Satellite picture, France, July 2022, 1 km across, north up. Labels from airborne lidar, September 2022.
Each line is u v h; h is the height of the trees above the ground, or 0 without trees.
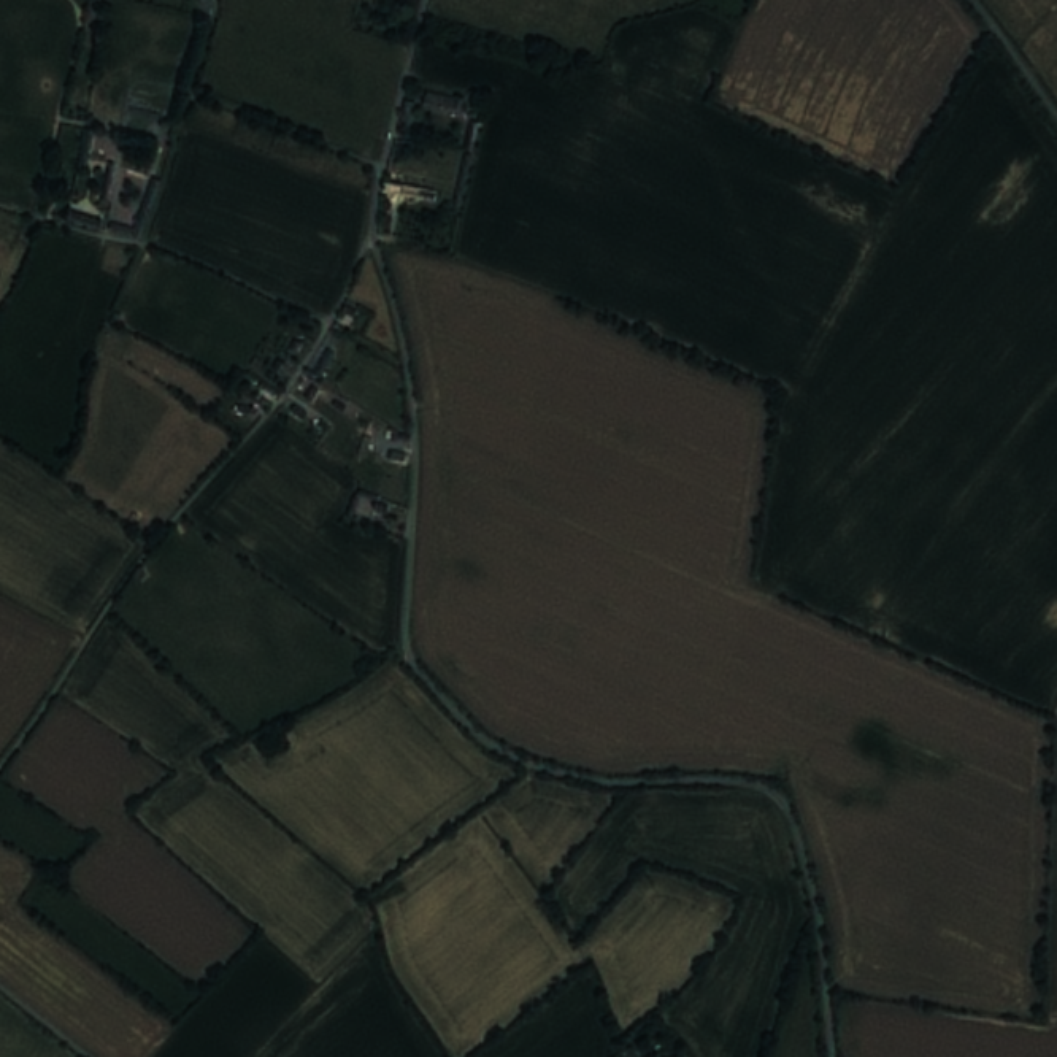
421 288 0
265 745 14
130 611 0
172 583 0
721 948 7
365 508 0
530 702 0
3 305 8
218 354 0
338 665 0
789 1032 0
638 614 0
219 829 0
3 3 0
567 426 0
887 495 0
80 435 8
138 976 0
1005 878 0
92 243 0
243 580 0
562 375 0
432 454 0
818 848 0
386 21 12
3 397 0
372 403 0
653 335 13
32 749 0
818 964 7
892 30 0
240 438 6
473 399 0
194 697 7
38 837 0
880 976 0
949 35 0
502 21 0
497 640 0
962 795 0
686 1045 16
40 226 12
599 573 0
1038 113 8
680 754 0
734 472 0
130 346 0
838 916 0
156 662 9
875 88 0
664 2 0
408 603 0
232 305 0
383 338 0
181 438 0
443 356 0
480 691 0
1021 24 0
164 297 0
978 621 0
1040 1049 0
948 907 0
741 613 0
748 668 0
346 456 0
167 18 0
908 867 0
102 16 9
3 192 0
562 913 15
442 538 0
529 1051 0
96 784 0
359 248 0
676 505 0
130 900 0
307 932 0
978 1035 0
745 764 0
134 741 9
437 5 0
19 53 0
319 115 0
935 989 0
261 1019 0
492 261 0
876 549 0
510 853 13
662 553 0
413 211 7
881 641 8
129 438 0
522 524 0
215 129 0
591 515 0
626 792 9
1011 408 0
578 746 0
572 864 12
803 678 0
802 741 0
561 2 0
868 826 0
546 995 7
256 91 0
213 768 8
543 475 0
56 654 0
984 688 6
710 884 7
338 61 0
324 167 0
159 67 0
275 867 0
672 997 11
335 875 6
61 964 0
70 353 0
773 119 0
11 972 0
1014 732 0
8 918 0
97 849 0
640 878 10
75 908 0
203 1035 0
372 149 0
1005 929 0
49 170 13
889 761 0
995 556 0
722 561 0
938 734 0
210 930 0
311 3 0
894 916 0
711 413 0
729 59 0
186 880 0
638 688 0
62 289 0
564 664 0
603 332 0
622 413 0
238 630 0
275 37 0
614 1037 11
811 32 0
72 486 8
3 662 0
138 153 26
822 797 0
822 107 0
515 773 10
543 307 0
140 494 0
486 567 0
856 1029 0
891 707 0
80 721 0
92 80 11
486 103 16
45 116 0
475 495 0
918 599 0
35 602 0
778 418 7
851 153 0
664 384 0
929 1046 0
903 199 0
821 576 0
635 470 0
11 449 12
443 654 0
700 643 0
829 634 0
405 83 12
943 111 11
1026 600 0
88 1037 0
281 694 0
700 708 0
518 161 0
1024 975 0
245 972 0
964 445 0
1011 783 0
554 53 15
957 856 0
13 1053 0
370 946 0
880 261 0
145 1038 0
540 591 0
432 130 17
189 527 8
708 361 9
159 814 0
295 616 0
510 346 0
